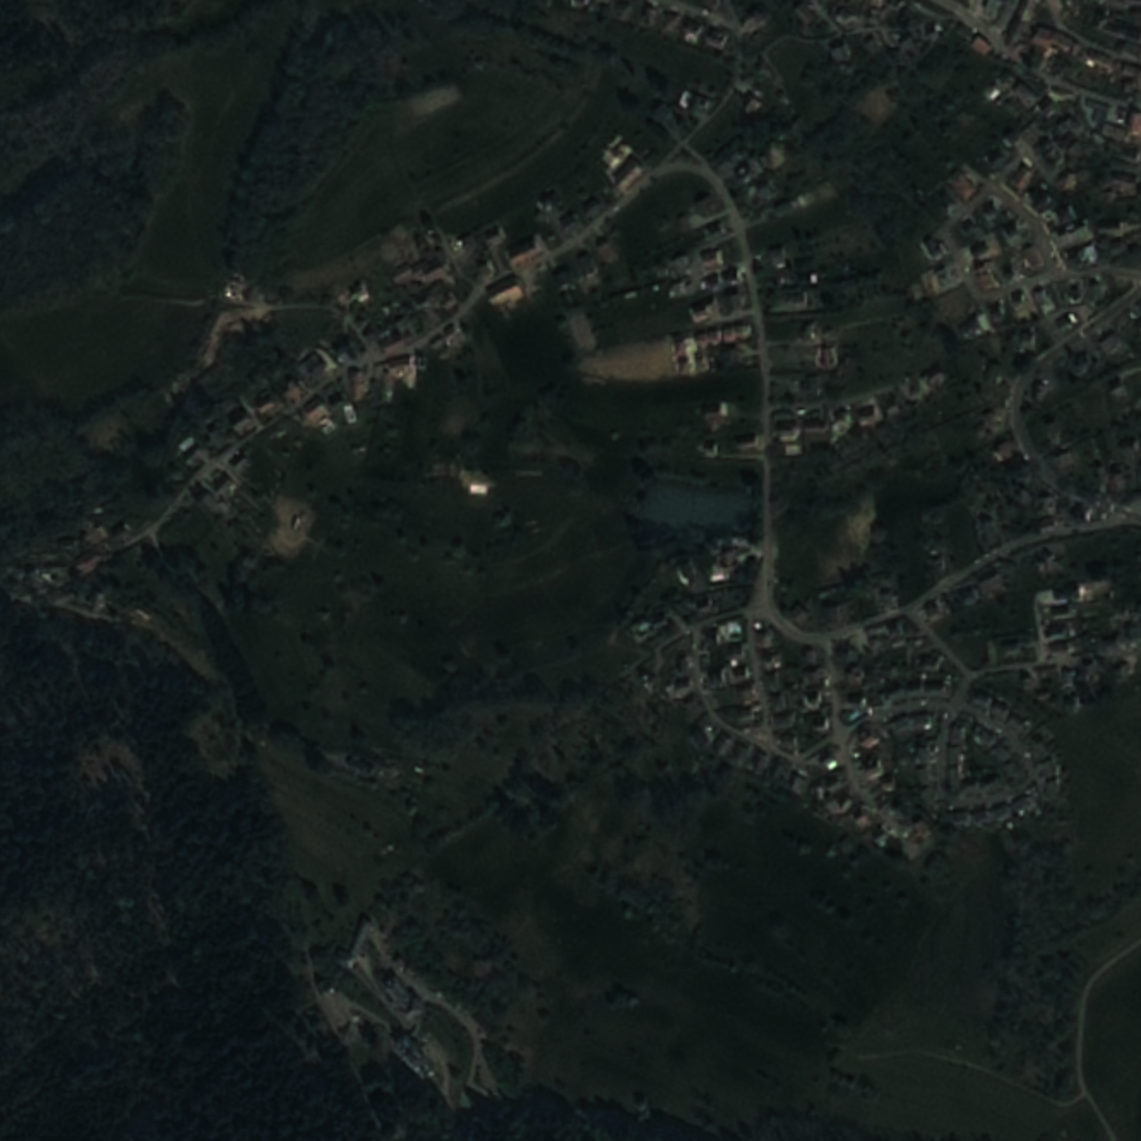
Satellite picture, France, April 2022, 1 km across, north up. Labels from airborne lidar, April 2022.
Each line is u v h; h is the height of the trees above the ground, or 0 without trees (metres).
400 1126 29
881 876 0
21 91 17
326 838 0
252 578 14
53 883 30
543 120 0
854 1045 0
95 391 0
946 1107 0
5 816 34
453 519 0
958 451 0
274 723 0
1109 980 0
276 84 0
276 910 21
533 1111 30
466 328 8
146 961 10
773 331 0
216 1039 18
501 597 0
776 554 0
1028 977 22
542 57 8
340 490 0
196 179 0
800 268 8
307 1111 28
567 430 0
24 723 38
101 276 21
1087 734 0
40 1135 17
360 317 7
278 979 17
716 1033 0
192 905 26
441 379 0
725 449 0
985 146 0
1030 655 0
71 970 26
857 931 0
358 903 0
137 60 19
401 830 0
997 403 0
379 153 0
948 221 0
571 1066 0
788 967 0
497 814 8
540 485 0
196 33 12
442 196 0
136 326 0
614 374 0
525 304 0
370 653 0
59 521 7
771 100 0
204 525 0
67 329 0
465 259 0
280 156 22
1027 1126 0
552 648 0
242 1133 33
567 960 0
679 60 0
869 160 6
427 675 0
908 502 0
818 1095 0
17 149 27
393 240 0
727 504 0
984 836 0
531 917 0
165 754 32
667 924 14
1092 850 0
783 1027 0
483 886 0
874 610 0
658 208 0
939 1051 0
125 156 23
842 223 0
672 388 0
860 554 0
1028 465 15
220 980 14
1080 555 0
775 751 0
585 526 0
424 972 10
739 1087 0
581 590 0
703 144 0
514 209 0
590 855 0
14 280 24
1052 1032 13
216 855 28
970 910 0
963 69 8
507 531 6
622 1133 36
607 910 0
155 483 0
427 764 7
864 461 14
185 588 23
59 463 22
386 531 0
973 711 0
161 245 0
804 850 8
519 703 10
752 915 0
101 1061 33
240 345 7
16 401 0
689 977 0
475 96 0
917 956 0
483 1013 11
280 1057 20
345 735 0
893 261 0
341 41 21
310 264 0
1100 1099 0
